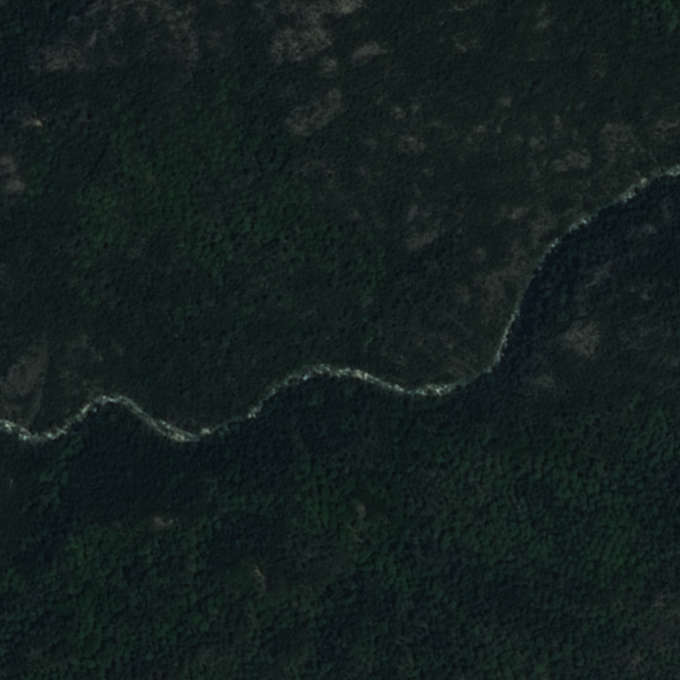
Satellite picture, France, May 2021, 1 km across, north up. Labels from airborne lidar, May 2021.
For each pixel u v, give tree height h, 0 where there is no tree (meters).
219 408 12
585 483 16
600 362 10
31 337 8
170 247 10
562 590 11
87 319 16
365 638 13
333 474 21
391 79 6
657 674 10
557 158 11
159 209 12
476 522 14
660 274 9
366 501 13
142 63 11
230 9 7
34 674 8
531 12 8
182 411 9
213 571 14
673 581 8
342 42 10
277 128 15
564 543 13
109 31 6
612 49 12
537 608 13
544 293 12
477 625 8
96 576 16
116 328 10
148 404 9
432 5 12
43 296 11
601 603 12
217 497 12
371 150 11
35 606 6
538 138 7
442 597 16
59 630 18
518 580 15
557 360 8
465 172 9
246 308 17
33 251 9
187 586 16
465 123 11
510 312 11
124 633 13
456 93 10
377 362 13
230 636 7
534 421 10
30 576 12
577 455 17
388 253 12
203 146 11
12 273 15
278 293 13
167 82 6
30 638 21
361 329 6
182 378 18
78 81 7
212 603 14
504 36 15
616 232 16
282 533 13
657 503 18
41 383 7
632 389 12
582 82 11
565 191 8
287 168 21
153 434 13
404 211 10
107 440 10
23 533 12
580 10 13
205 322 7
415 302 13
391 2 11
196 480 15
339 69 8
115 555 11
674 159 10
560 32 11
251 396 11
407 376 8
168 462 13
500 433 14
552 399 14
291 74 11
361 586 13
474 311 11
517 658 21
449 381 12
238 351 10
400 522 12
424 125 7
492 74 8
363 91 12
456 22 12
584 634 11
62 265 11
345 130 10
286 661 10
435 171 7
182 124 12
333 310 7
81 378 6
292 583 11
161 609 12
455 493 12
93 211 12
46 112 12
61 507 14
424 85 9
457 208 16
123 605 17
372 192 8
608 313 9
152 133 11
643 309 12
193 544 15
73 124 18
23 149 8
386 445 17
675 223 8
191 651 13
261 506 15
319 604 18
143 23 9
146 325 8
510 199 8
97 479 7
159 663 11
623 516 16
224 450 20
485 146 7
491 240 12
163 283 12
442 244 9
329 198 7
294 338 9
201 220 14
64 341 10
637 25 6
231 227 24
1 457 9
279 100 8
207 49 7
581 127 13
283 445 13
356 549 9
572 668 17
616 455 7
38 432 7
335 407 11
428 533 21
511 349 14
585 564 13
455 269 17
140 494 14
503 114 7
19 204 11
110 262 8
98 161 14
